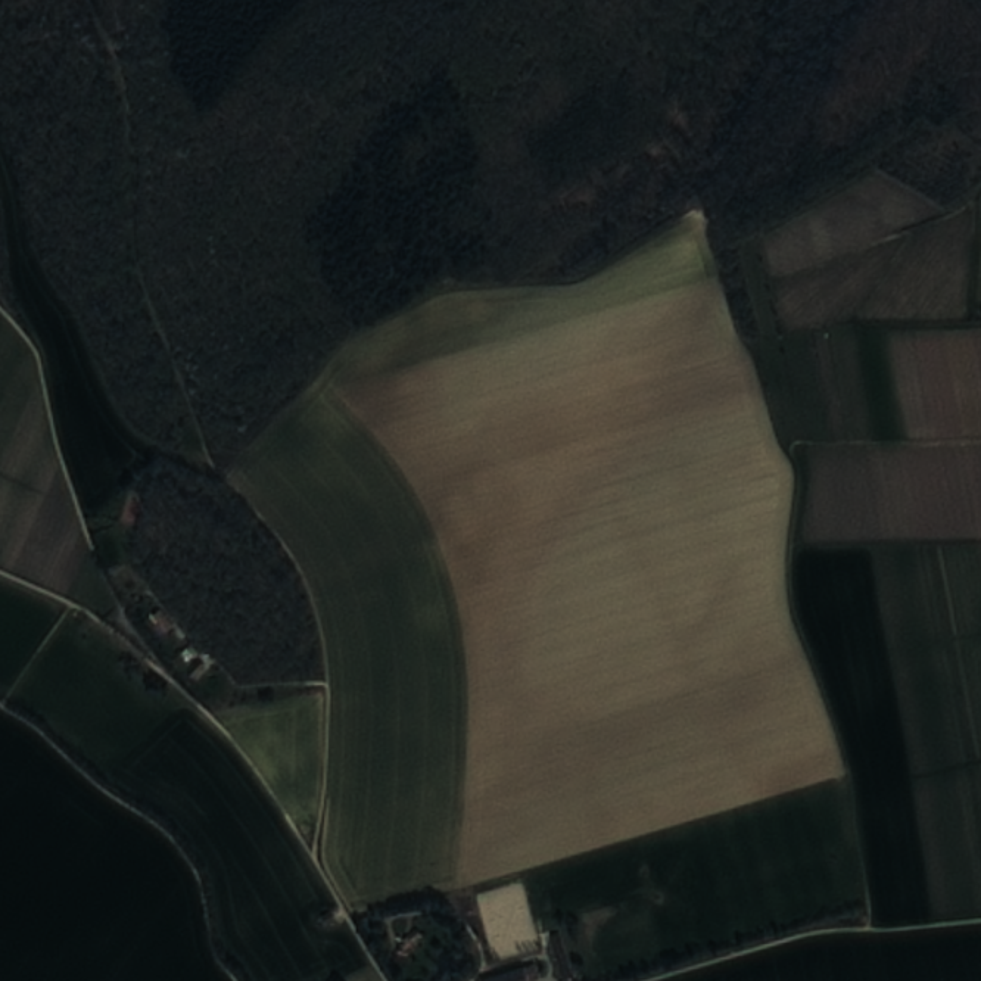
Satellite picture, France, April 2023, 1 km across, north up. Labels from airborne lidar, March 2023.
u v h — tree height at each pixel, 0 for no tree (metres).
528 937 0
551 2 18
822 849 0
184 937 0
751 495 0
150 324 15
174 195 17
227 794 0
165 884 0
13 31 14
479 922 0
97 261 13
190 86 21
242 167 15
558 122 15
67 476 0
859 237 0
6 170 0
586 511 0
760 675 0
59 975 0
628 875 0
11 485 0
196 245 14
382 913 11
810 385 0
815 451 0
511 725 0
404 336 0
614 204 19
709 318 0
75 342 0
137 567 12
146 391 14
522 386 0
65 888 0
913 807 0
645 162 19
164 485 24
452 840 0
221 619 19
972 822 0
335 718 0
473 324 0
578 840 0
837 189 6
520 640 0
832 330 0
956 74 18
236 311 15
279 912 0
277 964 0
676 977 0
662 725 0
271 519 0
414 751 0
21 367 0
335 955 0
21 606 0
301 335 17
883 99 14
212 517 25
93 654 0
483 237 21
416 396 0
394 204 25
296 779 0
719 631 0
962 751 0
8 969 0
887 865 0
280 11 25
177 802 0
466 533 0
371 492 0
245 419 11
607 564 0
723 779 0
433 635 0
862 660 0
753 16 24
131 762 0
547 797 0
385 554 0
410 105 16
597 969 0
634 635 0
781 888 0
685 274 0
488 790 0
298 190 14
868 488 0
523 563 0
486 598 0
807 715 0
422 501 0
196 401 11
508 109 17
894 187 0
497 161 13
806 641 0
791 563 0
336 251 16
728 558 0
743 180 17
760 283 0
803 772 0
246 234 15
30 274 0
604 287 0
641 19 28
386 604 0
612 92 14
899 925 0
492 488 0
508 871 0
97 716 0
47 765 0
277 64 15
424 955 0
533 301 0
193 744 0
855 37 17
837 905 0
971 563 0
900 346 0
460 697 0
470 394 0
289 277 16
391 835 0
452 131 16
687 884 0
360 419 0
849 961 0
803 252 0
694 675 0
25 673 0
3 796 0
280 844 0
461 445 0
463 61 14
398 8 15
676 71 25
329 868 0
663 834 0
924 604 0
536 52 15
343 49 16
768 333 0
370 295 17
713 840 0
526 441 0
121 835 0
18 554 0
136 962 0
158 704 0
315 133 15
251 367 17
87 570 0
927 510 0
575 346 0
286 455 0
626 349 0
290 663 19
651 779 0
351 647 0
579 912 0
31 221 13
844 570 0
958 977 0
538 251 21
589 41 17
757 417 0
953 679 0
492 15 15
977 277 0
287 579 18
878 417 0
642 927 0
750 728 0
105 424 0
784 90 19
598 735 0
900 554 0
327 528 0
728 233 16
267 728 0
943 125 12
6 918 0
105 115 12
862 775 0
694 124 26
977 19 14
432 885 0
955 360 0
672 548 0
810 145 17
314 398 0
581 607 0
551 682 0
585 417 0
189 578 22
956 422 0
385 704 0
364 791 0
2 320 0
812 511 0
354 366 0
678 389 0
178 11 25
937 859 0
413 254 21
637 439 0
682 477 0
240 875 0
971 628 0
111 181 15
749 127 17
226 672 16
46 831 0
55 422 0
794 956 0
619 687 0
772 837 0
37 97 15
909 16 15
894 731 0
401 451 0
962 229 0
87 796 0
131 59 14
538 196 17
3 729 0
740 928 0
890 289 0
